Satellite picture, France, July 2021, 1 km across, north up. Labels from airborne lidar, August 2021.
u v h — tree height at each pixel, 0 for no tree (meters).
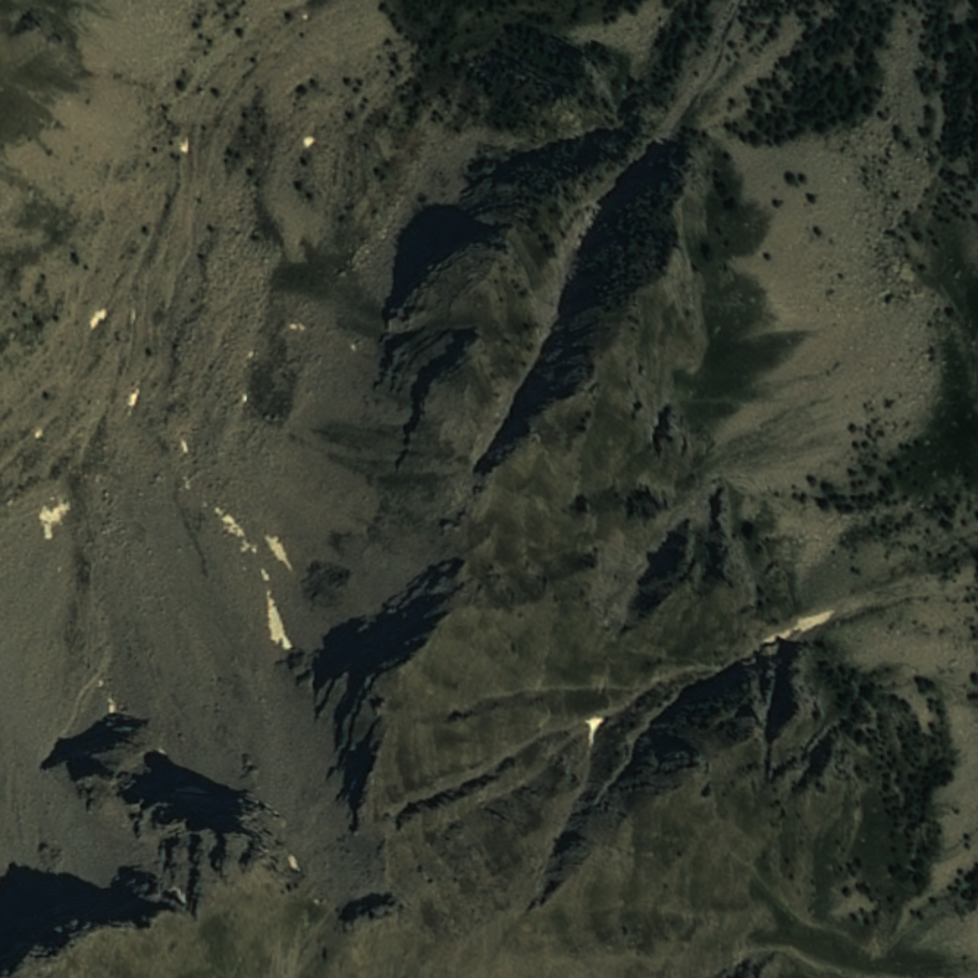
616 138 12
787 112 6
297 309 0
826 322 0
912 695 0
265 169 0
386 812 0
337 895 0
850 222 0
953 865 0
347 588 0
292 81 0
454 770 0
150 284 0
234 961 0
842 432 0
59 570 0
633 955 0
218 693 0
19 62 0
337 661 0
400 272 0
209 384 0
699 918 0
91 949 0
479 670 0
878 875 0
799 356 0
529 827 0
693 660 0
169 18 0
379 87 0
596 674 0
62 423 0
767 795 0
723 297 0
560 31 0
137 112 0
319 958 0
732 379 0
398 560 0
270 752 0
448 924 0
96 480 0
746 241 0
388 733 0
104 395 0
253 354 0
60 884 0
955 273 0
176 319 0
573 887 0
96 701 0
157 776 0
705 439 0
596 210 0
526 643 0
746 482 0
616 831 0
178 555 0
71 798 0
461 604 0
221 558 0
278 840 0
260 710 0
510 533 0
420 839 0
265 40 0
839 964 0
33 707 0
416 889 0
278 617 0
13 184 0
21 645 0
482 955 0
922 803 9
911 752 11
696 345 0
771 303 0
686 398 0
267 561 0
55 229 0
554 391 0
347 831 0
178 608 0
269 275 0
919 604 0
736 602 0
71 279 0
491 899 0
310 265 0
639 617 0
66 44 0
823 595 0
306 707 0
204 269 0
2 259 0
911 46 0
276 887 0
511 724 0
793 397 0
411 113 8
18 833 0
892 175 0
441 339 0
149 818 0
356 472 0
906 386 0
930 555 8
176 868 0
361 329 0
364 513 0
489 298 0
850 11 23
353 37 0
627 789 0
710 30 11
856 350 0
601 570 0
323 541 0
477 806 0
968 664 0
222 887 0
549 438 0
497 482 0
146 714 0
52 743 0
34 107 0
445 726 0
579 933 0
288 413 0
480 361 0
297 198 0
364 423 0
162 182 0
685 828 0
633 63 0
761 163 0
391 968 0
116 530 0
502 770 0
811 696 0
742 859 0
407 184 0
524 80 10
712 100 0
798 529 0
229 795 0
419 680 0
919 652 0
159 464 0
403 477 0
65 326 0
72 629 0
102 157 0
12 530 0
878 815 0
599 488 0
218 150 0
